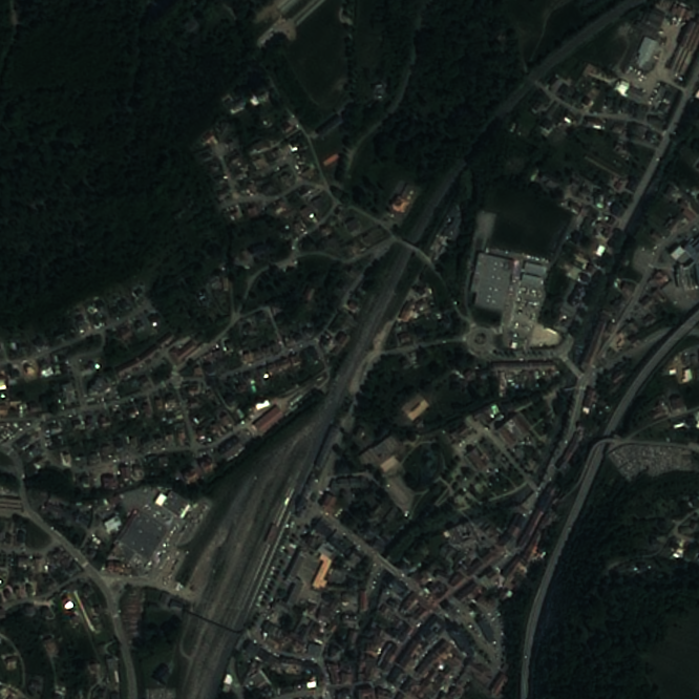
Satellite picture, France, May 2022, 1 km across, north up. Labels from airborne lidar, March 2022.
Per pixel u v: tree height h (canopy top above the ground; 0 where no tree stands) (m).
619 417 0
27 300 23
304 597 0
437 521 19
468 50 9
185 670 0
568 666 15
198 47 20
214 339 0
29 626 0
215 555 0
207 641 0
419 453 0
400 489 0
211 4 12
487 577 0
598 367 0
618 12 0
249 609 0
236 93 11
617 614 18
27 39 15
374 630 0
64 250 16
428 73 16
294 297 13
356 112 16
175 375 0
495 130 18
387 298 0
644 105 0
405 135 27
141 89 29
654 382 0
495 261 0
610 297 0
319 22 0
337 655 0
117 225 19
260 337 0
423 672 0
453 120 18
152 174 21
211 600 0
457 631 0
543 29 0
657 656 0
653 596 22
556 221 0
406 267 0
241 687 0
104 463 0
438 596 0
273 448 0
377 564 0
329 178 0
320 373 0
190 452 0
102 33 15
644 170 8
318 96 0
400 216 0
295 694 0
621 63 0
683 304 0
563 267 0
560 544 0
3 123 30
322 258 0
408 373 0
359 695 0
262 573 0
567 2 0
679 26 0
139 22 10
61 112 17
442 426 6
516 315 0
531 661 0
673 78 0
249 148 11
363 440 7
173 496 0
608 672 19
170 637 19
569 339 0
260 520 0
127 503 0
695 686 0
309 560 0
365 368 0
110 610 0
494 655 0
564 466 0
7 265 25
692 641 0
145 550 0
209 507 0
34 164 28
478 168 22
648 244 0
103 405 0
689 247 0
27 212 25
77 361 0
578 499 0
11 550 0
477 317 0
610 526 9
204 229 7
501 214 0
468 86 20
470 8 16
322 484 0
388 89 7
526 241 0
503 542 0
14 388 0
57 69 13
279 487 0
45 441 0
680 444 0
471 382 10
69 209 21
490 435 0
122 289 0
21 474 0
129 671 0
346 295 0
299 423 0
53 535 0
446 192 0
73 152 34
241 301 14
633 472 0
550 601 0
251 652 0
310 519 0
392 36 16
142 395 0
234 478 0
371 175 0
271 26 0
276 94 15
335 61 0
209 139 0
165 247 7
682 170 0
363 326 0
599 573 16
